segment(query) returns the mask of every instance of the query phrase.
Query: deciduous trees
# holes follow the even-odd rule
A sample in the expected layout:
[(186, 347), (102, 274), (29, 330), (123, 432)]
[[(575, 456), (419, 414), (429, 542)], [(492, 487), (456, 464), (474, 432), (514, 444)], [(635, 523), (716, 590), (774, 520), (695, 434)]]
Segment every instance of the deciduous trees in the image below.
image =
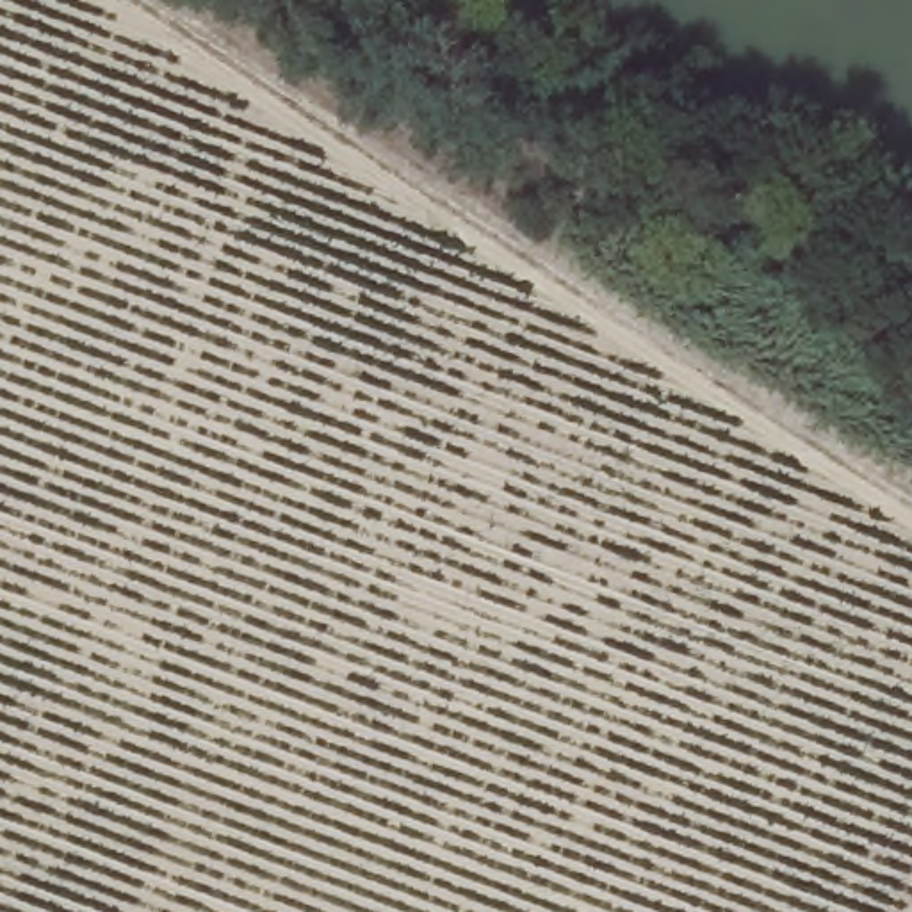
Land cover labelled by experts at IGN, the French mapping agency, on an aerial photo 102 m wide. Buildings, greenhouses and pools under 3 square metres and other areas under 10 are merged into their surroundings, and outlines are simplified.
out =
[(388, 135), (399, 125), (410, 125), (413, 150), (428, 160), (449, 143), (452, 150), (460, 143), (470, 143), (470, 167), (477, 175), (495, 178), (481, 192), (481, 200), (492, 210), (506, 214), (513, 203), (534, 200), (538, 221), (552, 228), (549, 242), (570, 249), (577, 267), (602, 289), (627, 299), (638, 310), (638, 317), (663, 324), (680, 342), (702, 349), (709, 360), (780, 392), (819, 428), (834, 428), (848, 445), (862, 449), (866, 456), (876, 456), (880, 463), (912, 467), (912, 103), (894, 107), (887, 100), (884, 78), (866, 68), (848, 71), (844, 82), (834, 82), (827, 68), (819, 68), (816, 61), (777, 64), (759, 50), (730, 53), (713, 25), (673, 21), (666, 14), (670, 0), (203, 0), (217, 21), (249, 25), (260, 46), (274, 53), (278, 75), (289, 86), (324, 78), (335, 93), (335, 114), (356, 125), (360, 132)]

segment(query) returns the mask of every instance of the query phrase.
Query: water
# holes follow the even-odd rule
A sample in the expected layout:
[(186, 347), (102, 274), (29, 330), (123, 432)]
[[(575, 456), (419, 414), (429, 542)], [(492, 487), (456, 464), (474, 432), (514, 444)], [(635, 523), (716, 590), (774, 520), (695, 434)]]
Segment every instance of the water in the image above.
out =
[(666, 14), (673, 21), (713, 25), (730, 53), (759, 50), (777, 64), (816, 61), (819, 68), (827, 68), (834, 82), (844, 82), (848, 71), (866, 68), (884, 78), (887, 100), (894, 107), (912, 103), (912, 0), (670, 0)]

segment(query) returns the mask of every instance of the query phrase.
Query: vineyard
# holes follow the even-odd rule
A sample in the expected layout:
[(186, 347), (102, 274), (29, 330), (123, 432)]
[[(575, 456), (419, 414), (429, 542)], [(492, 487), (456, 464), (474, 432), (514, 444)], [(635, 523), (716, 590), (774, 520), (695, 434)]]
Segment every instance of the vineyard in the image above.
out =
[(912, 467), (880, 463), (876, 456), (866, 456), (862, 449), (848, 445), (834, 428), (819, 428), (780, 392), (709, 360), (702, 349), (680, 342), (663, 324), (638, 317), (638, 310), (627, 299), (602, 289), (577, 267), (570, 249), (549, 242), (552, 228), (538, 221), (534, 200), (513, 203), (506, 214), (492, 210), (481, 200), (481, 192), (495, 178), (477, 175), (470, 167), (470, 143), (460, 143), (452, 150), (449, 143), (428, 160), (413, 150), (410, 125), (399, 125), (388, 135), (360, 132), (356, 125), (335, 114), (335, 93), (324, 78), (289, 86), (278, 75), (274, 53), (260, 46), (249, 25), (217, 21), (203, 0), (0, 0), (0, 912), (912, 912)]

